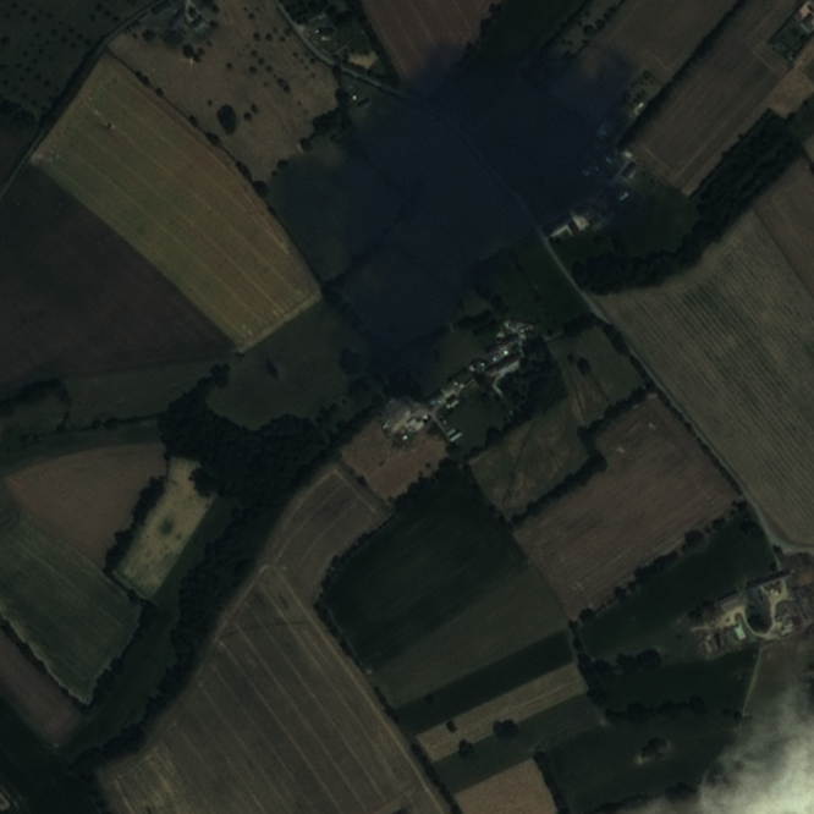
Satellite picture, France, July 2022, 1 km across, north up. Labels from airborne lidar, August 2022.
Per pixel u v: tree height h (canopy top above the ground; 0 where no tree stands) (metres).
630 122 0
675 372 0
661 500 0
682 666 0
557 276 0
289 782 0
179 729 0
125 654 8
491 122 0
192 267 0
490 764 0
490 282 0
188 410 22
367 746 0
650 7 0
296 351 0
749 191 13
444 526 0
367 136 0
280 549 0
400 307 0
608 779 0
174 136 0
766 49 0
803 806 17
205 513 0
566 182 0
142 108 0
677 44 0
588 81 0
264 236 0
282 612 0
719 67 0
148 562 0
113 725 0
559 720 0
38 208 0
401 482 0
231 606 0
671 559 11
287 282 0
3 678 0
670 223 0
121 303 0
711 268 0
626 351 14
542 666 0
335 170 0
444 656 0
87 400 0
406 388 19
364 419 17
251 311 0
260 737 0
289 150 0
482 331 14
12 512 0
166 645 0
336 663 0
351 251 0
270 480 19
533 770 0
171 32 7
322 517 0
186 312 0
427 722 0
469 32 0
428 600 0
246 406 0
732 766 0
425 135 0
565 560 0
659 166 0
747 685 0
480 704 0
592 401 0
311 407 0
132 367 0
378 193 0
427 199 0
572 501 0
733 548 0
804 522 0
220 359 0
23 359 0
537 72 16
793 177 0
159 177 0
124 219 0
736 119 0
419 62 0
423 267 0
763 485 0
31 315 0
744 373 0
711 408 0
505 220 0
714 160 0
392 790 0
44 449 0
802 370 0
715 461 9
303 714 0
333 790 0
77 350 0
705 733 0
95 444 0
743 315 0
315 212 0
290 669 0
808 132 0
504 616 0
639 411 0
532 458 0
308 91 0
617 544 0
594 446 11
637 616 0
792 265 0
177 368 0
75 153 0
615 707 0
